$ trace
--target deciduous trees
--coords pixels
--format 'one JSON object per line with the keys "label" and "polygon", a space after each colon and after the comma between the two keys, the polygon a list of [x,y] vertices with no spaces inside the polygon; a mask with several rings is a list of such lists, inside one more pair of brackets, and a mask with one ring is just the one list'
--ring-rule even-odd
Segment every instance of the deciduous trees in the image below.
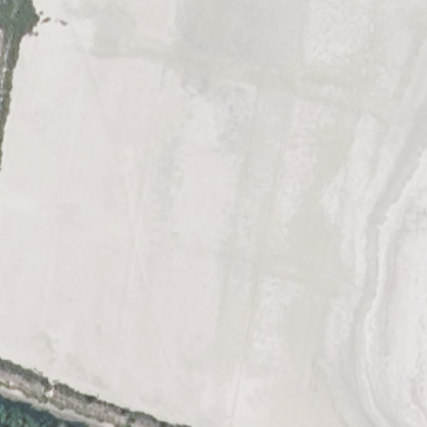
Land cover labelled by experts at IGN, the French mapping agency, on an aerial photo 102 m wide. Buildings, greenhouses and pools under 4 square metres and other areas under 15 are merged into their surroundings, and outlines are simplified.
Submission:
{"label": "deciduous trees", "polygon": [[22,412],[13,415],[12,419],[7,419],[5,407],[0,407],[0,427],[37,427],[37,422],[30,415]]}

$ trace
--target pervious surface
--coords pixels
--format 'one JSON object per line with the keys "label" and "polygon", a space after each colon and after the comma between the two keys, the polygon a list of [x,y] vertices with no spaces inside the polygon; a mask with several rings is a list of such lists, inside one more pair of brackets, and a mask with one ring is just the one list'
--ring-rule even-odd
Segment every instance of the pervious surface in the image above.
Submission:
{"label": "pervious surface", "polygon": [[427,0],[32,0],[33,8],[38,15],[38,23],[33,27],[32,33],[25,35],[20,42],[17,65],[13,68],[10,110],[3,128],[0,163],[0,359],[22,365],[25,369],[47,377],[50,382],[60,382],[82,394],[93,395],[125,409],[145,412],[168,424],[190,427],[427,427]]}

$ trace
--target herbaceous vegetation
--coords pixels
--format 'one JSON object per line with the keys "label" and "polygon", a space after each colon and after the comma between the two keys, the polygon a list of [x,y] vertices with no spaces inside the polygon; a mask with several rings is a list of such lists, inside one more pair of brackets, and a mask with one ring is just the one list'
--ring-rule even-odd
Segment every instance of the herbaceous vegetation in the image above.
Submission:
{"label": "herbaceous vegetation", "polygon": [[0,163],[3,128],[10,110],[13,68],[17,65],[20,42],[25,35],[32,33],[33,27],[38,23],[38,15],[33,8],[32,0],[0,0]]}
{"label": "herbaceous vegetation", "polygon": [[0,395],[27,402],[35,409],[48,410],[58,419],[82,422],[88,427],[190,427],[168,424],[145,412],[125,409],[93,395],[82,394],[60,382],[50,382],[47,377],[25,369],[22,365],[0,359]]}

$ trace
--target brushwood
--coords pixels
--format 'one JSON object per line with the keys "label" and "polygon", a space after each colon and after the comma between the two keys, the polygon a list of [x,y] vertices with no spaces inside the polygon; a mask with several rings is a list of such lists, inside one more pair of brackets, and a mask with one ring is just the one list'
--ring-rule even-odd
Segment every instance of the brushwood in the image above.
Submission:
{"label": "brushwood", "polygon": [[48,410],[35,409],[27,402],[0,395],[0,407],[5,407],[7,419],[12,419],[13,415],[22,412],[30,415],[37,422],[37,427],[88,427],[82,422],[58,419]]}

